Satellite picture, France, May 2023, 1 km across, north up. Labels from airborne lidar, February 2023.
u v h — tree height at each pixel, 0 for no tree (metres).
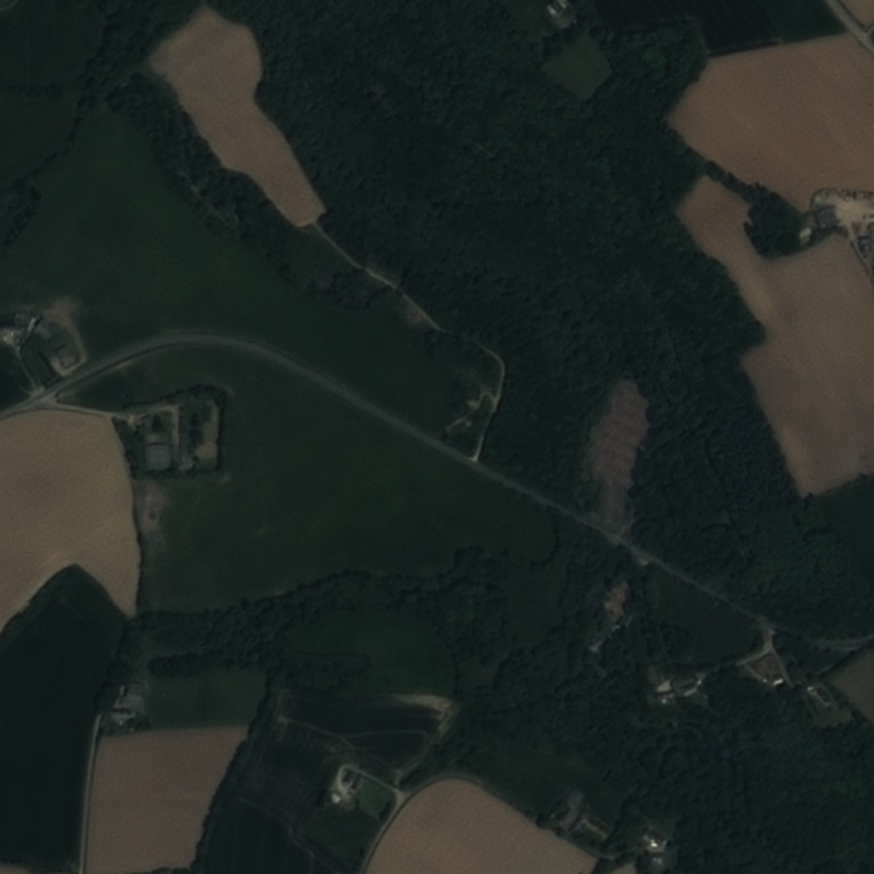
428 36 16
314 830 0
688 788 23
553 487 6
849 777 19
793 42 0
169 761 0
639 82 11
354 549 0
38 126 0
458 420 0
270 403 0
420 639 0
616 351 11
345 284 8
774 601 18
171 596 0
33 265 0
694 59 18
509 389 14
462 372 0
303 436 0
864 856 18
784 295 0
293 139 10
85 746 0
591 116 15
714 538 14
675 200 18
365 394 0
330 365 0
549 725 21
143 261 0
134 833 0
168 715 0
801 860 22
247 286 0
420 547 0
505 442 12
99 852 0
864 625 0
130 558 0
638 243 15
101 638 0
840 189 0
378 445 0
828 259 0
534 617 0
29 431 0
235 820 0
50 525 0
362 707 0
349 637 0
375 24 15
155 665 16
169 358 0
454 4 18
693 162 17
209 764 0
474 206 16
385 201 10
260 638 6
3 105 0
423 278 14
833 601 16
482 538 0
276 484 0
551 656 11
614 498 0
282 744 0
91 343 0
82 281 0
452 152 18
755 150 0
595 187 20
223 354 0
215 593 0
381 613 0
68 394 0
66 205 0
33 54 0
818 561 20
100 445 0
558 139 20
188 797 0
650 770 22
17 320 0
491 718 11
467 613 22
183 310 0
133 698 0
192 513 0
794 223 17
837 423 0
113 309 0
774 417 0
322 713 0
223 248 0
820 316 0
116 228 0
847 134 0
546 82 18
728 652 0
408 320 17
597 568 9
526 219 17
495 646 14
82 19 0
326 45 9
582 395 10
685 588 12
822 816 15
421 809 0
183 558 0
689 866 16
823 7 0
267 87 10
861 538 0
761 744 23
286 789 0
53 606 0
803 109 0
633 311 17
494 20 19
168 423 0
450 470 0
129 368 0
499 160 16
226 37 0
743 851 13
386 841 0
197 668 19
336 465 0
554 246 16
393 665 0
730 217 0
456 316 7
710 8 0
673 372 8
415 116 16
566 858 0
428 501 0
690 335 15
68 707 0
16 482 0
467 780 0
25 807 0
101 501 0
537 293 14
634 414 0
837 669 7
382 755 0
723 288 16
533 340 10
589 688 11
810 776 20
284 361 0
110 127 0
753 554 18
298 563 0
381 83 8
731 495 14
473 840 0
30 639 0
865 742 13
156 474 6
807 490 0
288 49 13
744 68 0
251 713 0
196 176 13
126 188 0
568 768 0
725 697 16
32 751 0
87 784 0
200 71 0
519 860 0
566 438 10
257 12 13
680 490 21
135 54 21
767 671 14
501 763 0
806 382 0
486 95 17
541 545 0
